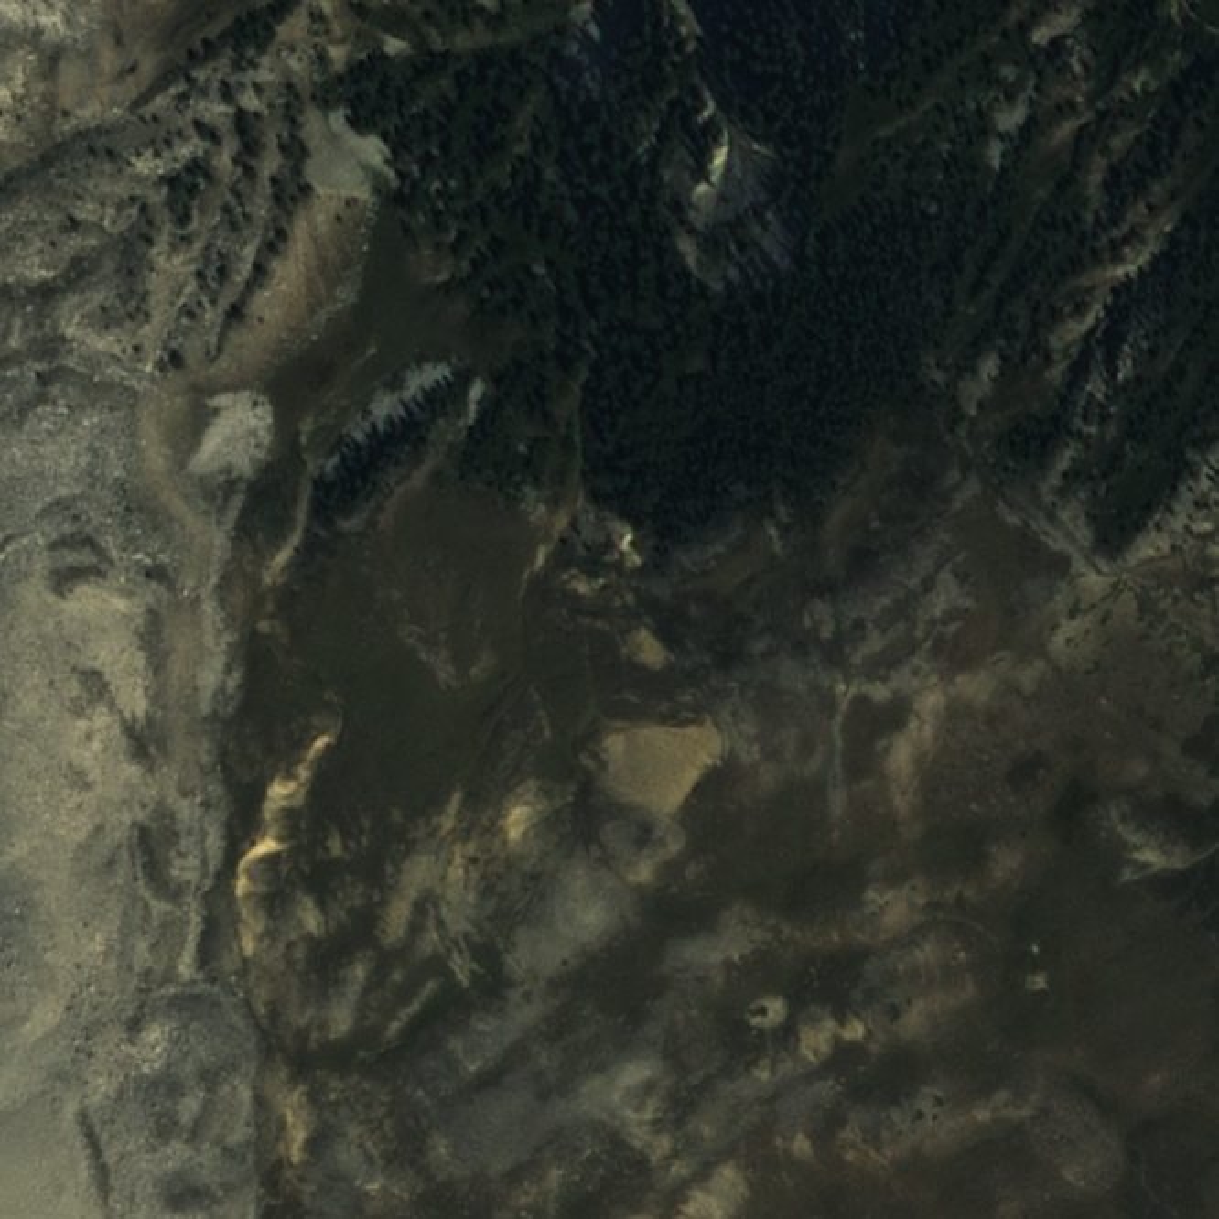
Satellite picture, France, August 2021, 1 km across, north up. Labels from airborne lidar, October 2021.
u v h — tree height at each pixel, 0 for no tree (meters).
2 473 0
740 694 0
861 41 10
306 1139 0
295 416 0
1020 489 0
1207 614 0
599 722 0
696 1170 0
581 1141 0
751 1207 0
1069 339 0
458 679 0
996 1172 0
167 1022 0
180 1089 0
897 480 0
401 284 0
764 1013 0
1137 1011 0
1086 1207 0
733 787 0
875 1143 0
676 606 0
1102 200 0
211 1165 0
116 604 0
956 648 0
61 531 0
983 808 0
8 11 0
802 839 0
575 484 0
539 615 0
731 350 6
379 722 0
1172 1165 0
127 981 0
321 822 0
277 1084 0
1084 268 8
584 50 0
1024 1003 0
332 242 0
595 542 0
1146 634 0
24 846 0
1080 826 0
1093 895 0
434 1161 0
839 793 0
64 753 0
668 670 0
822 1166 0
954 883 0
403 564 0
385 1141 0
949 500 0
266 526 0
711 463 15
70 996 0
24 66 0
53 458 0
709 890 0
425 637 0
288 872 0
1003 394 0
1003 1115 0
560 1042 0
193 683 0
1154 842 0
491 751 0
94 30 0
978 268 0
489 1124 0
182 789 0
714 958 0
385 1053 0
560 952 0
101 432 0
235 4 0
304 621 0
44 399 0
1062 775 0
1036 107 9
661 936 0
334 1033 0
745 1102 0
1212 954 0
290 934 0
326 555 0
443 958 0
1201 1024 0
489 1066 0
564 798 0
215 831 0
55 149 0
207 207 0
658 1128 0
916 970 0
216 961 0
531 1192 0
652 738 0
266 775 0
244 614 0
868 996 0
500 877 0
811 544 0
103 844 0
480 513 0
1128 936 0
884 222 7
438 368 0
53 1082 0
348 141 0
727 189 0
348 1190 0
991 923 0
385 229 0
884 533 0
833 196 0
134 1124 0
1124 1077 0
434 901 0
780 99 17
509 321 9
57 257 0
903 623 0
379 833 0
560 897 0
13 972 0
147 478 0
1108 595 0
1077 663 0
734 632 0
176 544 0
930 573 0
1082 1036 0
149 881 0
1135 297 7
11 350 0
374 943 0
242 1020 0
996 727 0
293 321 0
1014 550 0
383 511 0
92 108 0
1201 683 0
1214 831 0
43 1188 0
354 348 0
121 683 0
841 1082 0
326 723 0
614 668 0
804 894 0
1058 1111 0
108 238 0
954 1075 0
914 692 0
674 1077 0
